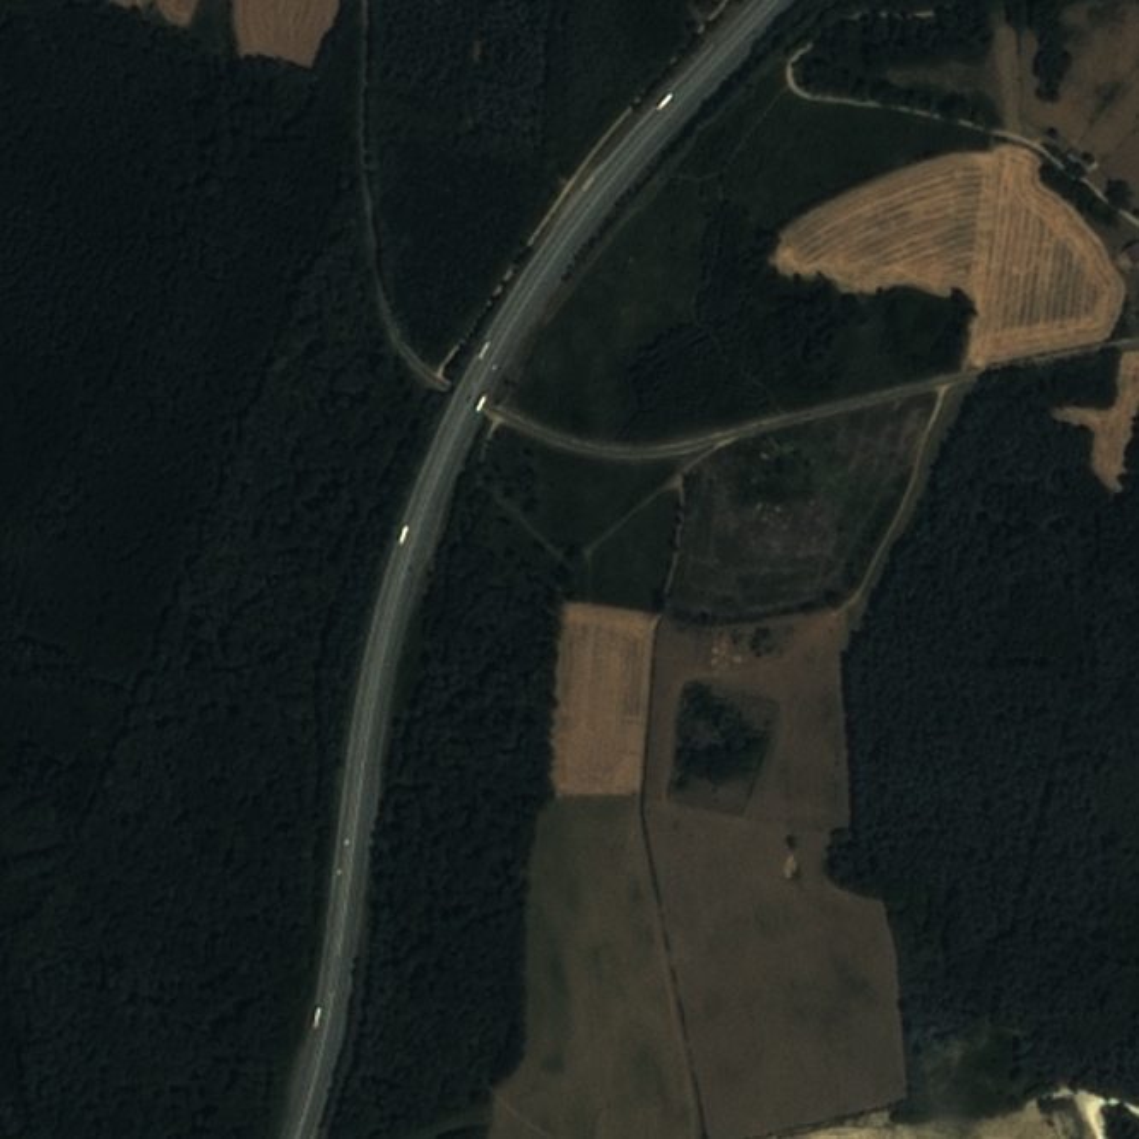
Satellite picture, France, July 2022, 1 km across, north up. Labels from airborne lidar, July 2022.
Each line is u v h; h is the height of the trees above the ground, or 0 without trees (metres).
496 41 19
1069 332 0
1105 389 16
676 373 12
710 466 0
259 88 20
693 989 0
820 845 0
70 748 16
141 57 19
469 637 21
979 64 0
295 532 25
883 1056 0
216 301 15
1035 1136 0
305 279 18
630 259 0
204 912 20
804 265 0
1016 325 0
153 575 14
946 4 19
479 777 21
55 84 16
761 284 6
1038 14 16
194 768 21
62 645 11
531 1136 0
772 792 0
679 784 7
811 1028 0
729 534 0
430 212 14
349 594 18
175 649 25
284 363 18
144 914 21
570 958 0
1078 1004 22
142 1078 22
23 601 22
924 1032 22
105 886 21
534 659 20
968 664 23
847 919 0
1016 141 0
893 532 0
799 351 17
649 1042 0
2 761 15
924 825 23
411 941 27
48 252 20
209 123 25
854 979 0
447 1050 19
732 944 0
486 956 18
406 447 14
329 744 15
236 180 15
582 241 0
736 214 8
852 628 0
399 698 0
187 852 20
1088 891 26
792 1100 0
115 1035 20
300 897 19
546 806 14
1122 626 8
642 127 0
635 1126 0
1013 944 22
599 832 0
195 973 22
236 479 16
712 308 9
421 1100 21
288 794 20
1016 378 22
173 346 18
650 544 0
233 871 19
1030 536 23
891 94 24
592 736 0
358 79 15
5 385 22
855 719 17
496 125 21
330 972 0
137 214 17
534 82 25
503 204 11
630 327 0
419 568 0
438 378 0
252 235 15
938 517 27
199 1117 17
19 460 20
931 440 0
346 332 19
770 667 0
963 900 28
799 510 0
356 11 14
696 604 0
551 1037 0
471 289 12
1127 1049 19
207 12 0
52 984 22
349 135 15
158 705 19
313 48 0
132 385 15
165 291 16
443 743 19
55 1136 22
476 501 19
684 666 0
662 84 14
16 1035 10
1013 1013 21
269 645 10
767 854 0
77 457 14
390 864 23
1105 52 0
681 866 0
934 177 0
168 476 12
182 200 15
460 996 19
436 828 24
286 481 21
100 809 17
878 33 23
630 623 0
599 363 0
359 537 9
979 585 21
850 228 0
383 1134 14
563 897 0
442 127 8
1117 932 10
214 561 19
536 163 10
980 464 25
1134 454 17
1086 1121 0
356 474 25
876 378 0
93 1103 21
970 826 24
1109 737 20
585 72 13
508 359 0
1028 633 9
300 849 21
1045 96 12
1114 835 13
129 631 14
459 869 21
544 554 22
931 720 25
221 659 20
